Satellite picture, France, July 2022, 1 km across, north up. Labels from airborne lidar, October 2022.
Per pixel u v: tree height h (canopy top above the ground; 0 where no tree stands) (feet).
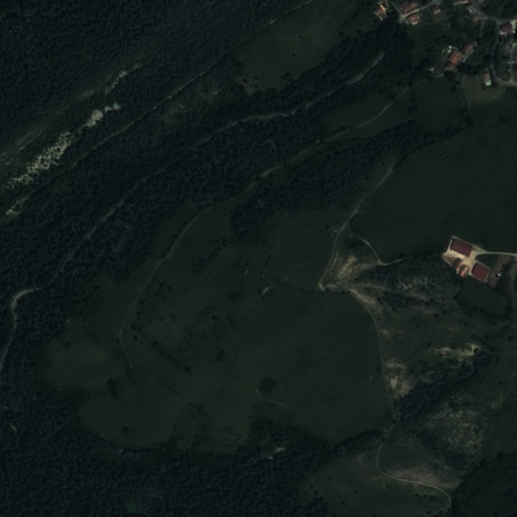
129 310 0
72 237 107
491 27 21
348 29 0
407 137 47
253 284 0
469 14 24
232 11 51
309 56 0
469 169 0
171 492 62
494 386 0
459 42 22
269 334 0
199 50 73
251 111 55
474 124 52
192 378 0
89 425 0
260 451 90
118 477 22
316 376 0
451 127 41
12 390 37
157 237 46
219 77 59
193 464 50
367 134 0
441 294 0
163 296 26
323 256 0
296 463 54
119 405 0
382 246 0
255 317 0
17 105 35
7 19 34
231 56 35
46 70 33
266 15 63
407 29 30
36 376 41
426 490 0
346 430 0
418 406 58
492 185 0
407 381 0
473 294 0
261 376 0
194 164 78
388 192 0
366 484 0
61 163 39
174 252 0
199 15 35
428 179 0
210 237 0
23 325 25
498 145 0
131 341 0
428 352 0
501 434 0
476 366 44
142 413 0
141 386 0
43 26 41
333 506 0
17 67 73
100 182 75
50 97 72
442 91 0
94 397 0
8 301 45
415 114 51
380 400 0
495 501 0
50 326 34
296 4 46
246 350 0
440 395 24
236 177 29
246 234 44
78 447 78
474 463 31
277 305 0
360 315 0
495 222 0
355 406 0
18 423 74
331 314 0
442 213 0
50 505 81
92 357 0
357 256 0
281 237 0
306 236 0
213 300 0
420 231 0
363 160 28
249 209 58
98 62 32
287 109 56
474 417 0
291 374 0
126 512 72
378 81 21
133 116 54
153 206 113
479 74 45
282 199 23
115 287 0
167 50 54
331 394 0
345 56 64
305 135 46
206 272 0
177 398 0
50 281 45
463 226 0
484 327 0
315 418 0
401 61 21
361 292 0
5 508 65
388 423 0
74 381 0
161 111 58
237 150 84
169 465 56
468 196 0
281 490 79
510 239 0
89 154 35
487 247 0
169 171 28
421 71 68
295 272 0
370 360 0
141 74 44
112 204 49
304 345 0
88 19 31
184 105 41
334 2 0
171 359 27
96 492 79
